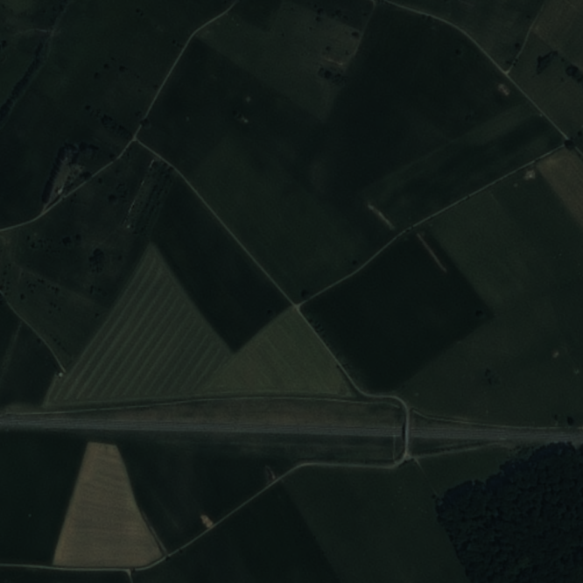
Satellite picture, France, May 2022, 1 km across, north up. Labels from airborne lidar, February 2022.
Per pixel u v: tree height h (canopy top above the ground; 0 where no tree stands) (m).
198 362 0
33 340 0
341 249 0
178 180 0
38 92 0
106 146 0
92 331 0
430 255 0
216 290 0
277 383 0
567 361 0
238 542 0
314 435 0
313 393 0
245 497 0
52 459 0
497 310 0
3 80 0
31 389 0
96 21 0
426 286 0
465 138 0
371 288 0
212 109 0
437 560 0
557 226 0
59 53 0
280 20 0
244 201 0
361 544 0
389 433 0
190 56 0
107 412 0
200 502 0
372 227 0
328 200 0
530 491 33
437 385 0
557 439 0
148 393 0
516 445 0
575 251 0
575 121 0
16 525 0
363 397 0
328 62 0
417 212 0
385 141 0
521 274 0
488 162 0
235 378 0
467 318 0
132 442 0
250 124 0
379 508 0
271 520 0
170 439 0
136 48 0
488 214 0
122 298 0
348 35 0
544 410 0
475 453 0
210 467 0
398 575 0
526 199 0
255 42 0
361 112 0
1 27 0
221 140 0
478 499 32
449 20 0
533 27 0
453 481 0
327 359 0
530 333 0
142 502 0
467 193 0
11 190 0
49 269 0
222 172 0
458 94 0
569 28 0
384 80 0
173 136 0
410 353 0
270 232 0
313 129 0
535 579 36
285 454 0
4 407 0
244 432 0
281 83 0
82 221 0
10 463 0
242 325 0
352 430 0
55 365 0
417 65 0
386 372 0
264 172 0
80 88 0
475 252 0
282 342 0
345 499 0
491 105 0
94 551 0
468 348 0
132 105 0
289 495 0
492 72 0
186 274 0
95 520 0
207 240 0
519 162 0
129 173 0
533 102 0
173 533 0
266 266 0
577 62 0
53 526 0
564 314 0
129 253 0
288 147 0
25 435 0
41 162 0
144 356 0
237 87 0
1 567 0
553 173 0
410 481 0
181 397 0
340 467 0
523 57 0
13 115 0
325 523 0
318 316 0
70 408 0
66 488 0
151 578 0
